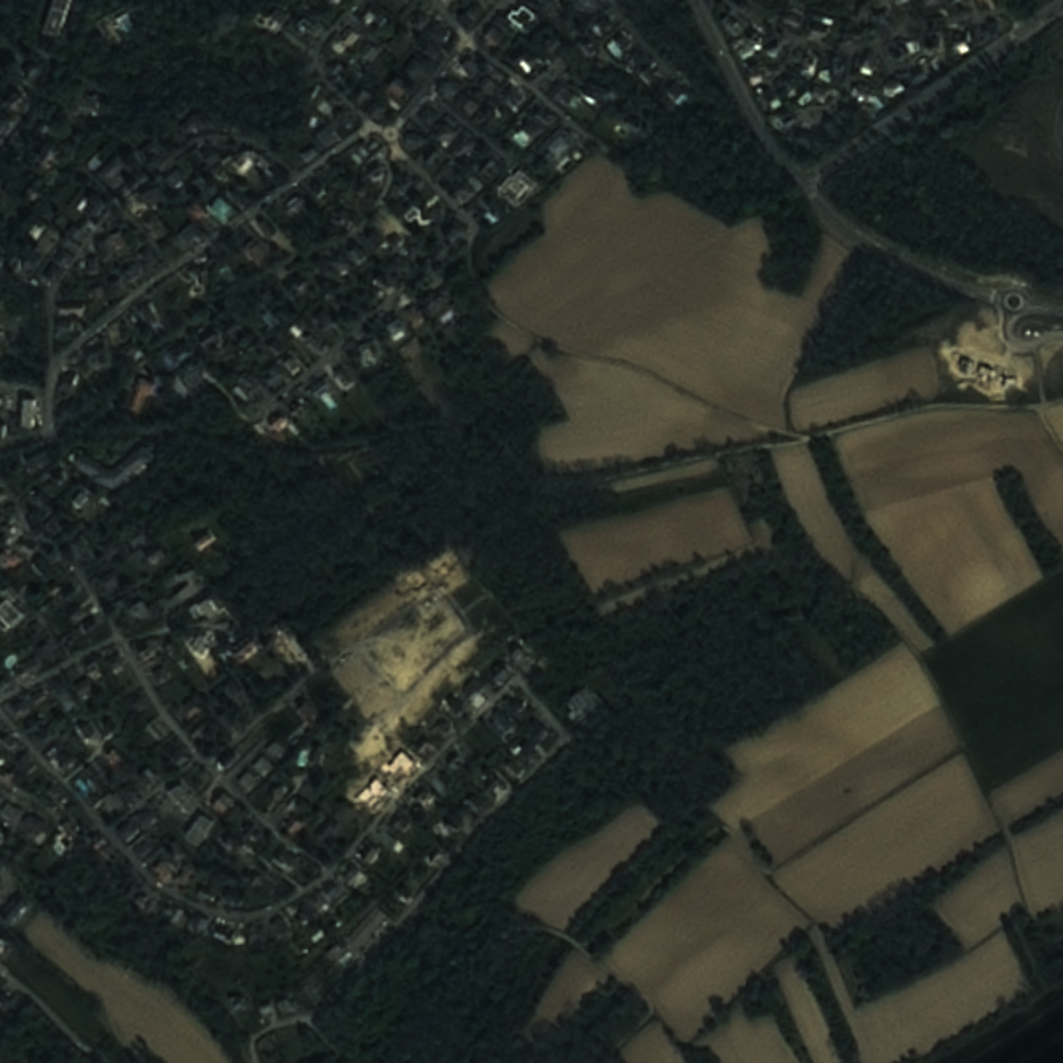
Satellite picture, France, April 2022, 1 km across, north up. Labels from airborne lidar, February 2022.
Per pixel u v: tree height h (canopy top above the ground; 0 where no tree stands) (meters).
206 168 6
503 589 7
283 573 27
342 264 0
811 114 0
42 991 0
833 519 0
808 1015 0
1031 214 24
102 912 17
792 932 0
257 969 0
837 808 0
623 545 0
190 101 10
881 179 17
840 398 0
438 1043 22
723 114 18
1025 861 0
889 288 25
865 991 8
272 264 15
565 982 0
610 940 13
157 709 0
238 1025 14
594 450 0
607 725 20
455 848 11
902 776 0
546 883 0
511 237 0
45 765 0
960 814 0
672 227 0
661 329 0
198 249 0
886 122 0
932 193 20
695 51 30
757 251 0
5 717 0
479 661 0
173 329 19
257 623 15
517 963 10
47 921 0
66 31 18
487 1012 17
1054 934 14
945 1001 0
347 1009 18
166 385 9
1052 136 0
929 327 0
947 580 0
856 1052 11
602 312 0
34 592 10
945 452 0
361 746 0
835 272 0
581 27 12
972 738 0
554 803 6
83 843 7
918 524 0
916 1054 6
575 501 22
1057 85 0
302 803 10
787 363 0
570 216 0
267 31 9
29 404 0
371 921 0
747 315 0
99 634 0
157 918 13
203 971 0
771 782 0
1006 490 9
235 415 22
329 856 13
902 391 0
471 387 24
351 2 13
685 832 8
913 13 17
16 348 18
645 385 0
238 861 8
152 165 9
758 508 9
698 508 0
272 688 12
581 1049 23
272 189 12
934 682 0
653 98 11
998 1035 0
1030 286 0
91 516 0
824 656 0
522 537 19
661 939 0
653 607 14
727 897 0
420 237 14
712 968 0
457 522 26
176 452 19
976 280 0
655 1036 0
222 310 14
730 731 25
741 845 0
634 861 7
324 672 12
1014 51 14
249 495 21
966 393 0
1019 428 0
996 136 0
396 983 24
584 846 0
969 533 0
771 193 21
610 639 10
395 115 8
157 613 6
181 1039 0
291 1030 0
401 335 0
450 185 7
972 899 0
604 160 0
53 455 9
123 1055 0
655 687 25
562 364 0
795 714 18
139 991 0
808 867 0
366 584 12
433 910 12
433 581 0
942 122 7
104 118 9
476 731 0
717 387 0
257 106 26
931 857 0
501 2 0
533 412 13
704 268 0
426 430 12
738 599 16
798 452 0
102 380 6
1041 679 0
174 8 21
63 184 6
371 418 0
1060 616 0
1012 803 0
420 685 0
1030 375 0
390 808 0
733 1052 0
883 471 0
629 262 0
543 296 0
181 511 17
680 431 0
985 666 0
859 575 0
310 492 25
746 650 24
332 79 6
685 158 19
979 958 0
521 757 6
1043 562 12
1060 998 0
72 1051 17
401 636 0
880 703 0
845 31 6
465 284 9
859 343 20
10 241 13
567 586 12
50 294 14
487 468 22
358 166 0
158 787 0
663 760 24
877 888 0
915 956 14
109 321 0
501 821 8
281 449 15
